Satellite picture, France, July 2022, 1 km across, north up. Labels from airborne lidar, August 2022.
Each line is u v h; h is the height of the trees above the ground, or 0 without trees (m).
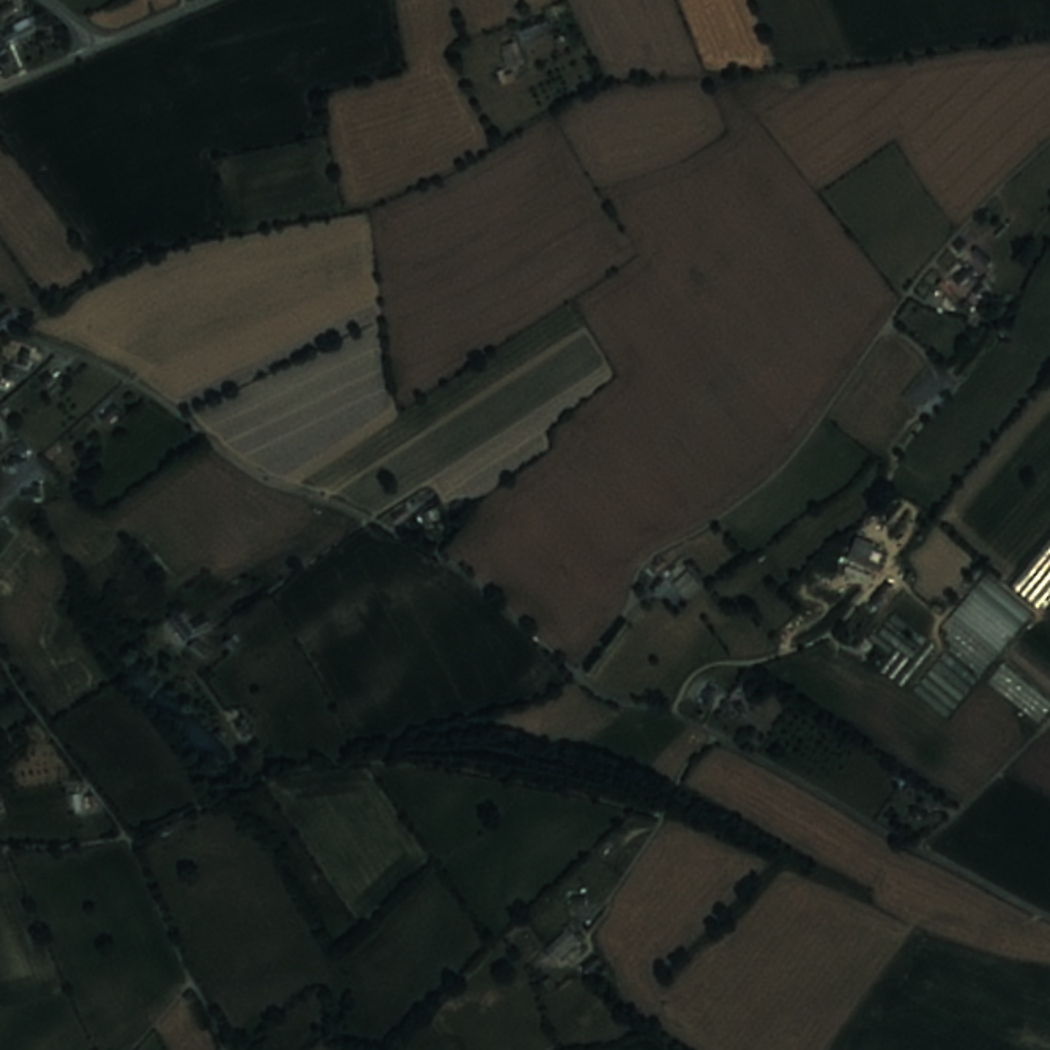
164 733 19
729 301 0
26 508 0
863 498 0
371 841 0
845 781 0
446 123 0
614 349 0
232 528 0
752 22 0
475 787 0
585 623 0
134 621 6
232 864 0
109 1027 0
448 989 13
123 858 0
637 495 0
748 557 11
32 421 0
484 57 0
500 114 0
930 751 0
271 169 0
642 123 0
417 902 0
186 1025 0
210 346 0
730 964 0
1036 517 0
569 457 0
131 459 0
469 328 0
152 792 0
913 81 0
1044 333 0
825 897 0
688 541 0
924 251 0
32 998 0
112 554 0
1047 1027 0
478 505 8
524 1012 0
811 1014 0
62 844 8
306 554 0
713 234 0
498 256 0
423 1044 0
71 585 7
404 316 0
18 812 0
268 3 0
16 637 0
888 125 0
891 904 0
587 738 0
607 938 0
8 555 0
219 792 11
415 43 0
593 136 0
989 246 0
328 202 0
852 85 0
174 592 0
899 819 8
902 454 17
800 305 0
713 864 0
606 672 0
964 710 0
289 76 0
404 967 0
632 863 0
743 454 0
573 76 0
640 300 0
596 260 0
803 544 0
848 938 0
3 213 0
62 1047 0
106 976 0
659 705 24
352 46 0
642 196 0
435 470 0
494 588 12
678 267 0
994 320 6
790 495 0
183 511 0
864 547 0
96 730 0
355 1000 8
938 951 0
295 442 0
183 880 14
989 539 0
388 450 0
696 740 0
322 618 0
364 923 10
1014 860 0
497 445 0
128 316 0
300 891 11
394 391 11
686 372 0
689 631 0
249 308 0
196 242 6
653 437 0
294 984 0
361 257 0
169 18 0
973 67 0
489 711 12
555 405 0
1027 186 0
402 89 0
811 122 0
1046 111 0
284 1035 0
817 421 0
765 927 0
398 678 0
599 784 15
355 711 0
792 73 0
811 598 0
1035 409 0
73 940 0
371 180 0
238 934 0
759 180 0
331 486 0
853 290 0
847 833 0
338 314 0
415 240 0
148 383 0
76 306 0
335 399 0
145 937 0
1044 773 0
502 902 0
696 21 0
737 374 0
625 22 0
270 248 0
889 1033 0
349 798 0
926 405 0
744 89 0
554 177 0
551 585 0
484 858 0
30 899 8
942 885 0
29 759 6
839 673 0
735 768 0
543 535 0
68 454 0
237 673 0
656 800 15
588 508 0
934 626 0
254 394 0
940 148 0
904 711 0
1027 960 0
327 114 14
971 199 0
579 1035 0
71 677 0
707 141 0
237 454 0
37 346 0
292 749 0
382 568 0
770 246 0
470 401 0
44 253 0
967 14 0
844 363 0
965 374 0
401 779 0
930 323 0
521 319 0
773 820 0
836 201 0
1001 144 0
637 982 0
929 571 0
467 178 0
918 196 0
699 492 0
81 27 0
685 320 0
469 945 0
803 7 0
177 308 0
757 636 0
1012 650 0
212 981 0
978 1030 0
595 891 0
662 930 0
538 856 0
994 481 0
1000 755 0
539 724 0
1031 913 0
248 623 0
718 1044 0
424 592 0
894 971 0
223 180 8
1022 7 0
